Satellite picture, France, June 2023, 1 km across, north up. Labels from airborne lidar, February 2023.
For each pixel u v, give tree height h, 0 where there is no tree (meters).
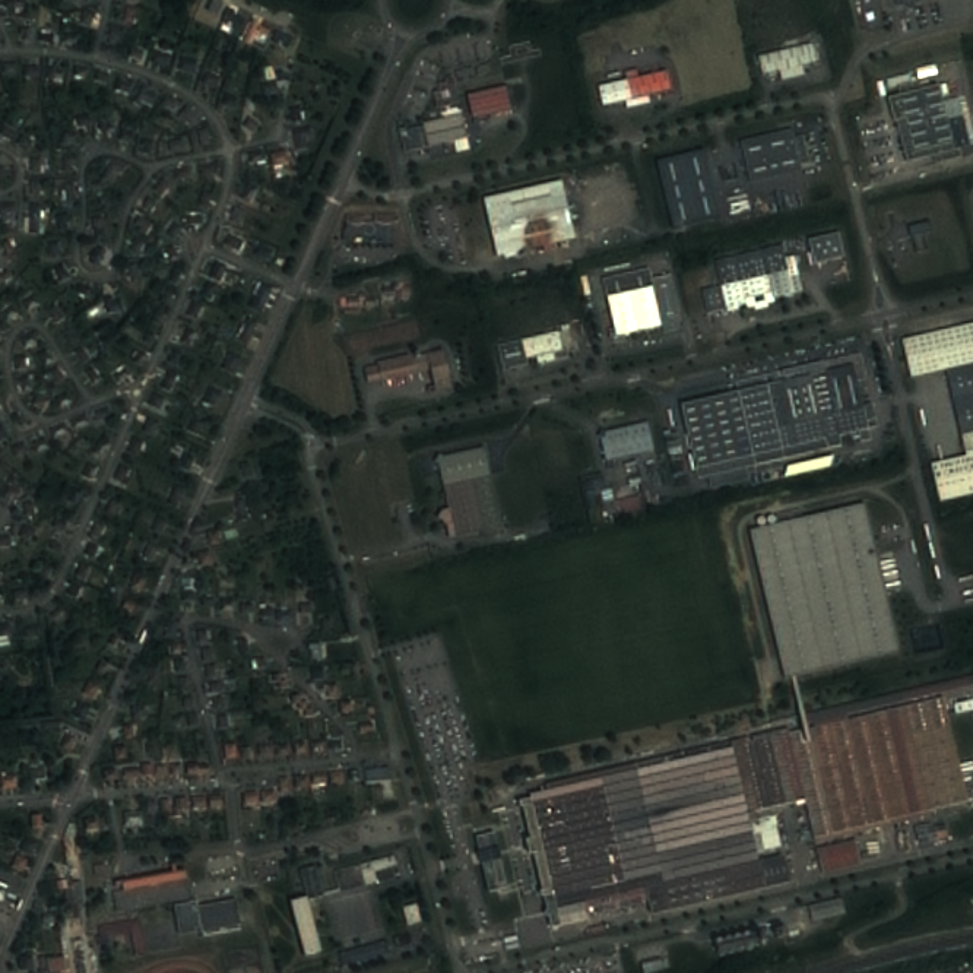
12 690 10
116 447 0
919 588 0
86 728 6
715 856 0
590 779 0
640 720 0
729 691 0
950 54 0
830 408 0
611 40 0
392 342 0
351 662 9
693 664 0
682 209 0
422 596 0
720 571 0
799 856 0
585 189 0
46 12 0
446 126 0
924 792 0
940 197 0
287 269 11
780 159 0
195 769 0
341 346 0
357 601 0
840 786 0
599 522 0
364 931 0
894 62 0
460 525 0
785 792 0
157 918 0
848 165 0
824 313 0
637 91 0
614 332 0
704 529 0
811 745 0
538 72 0
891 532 0
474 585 0
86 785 0
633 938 0
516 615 0
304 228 11
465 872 0
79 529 0
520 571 0
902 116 0
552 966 0
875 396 0
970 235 0
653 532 0
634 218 0
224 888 0
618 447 0
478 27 6
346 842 0
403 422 0
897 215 0
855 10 0
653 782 0
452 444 0
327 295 0
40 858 0
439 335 0
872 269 0
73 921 0
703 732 7
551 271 8
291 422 0
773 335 0
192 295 8
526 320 0
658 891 0
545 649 0
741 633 0
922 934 0
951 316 0
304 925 0
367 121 0
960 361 0
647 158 0
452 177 0
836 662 0
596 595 0
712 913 0
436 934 0
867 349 0
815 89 0
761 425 0
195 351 0
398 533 0
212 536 0
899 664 0
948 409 0
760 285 0
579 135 0
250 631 0
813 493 0
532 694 0
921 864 0
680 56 0
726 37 0
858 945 0
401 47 0
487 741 0
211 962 0
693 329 0
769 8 0
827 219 0
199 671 0
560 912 0
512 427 0
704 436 0
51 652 17
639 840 0
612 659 0
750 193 0
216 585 0
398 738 0
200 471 0
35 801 0
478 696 0
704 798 0
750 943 0
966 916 0
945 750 0
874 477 0
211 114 0
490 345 0
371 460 0
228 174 0
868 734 0
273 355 0
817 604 0
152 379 0
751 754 0
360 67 0
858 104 0
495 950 0
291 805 15
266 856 0
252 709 7
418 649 0
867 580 0
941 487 0
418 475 0
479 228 0
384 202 9
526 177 0
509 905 0
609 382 0
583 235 0
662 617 0
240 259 0
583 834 0
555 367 0
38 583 10
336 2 13
